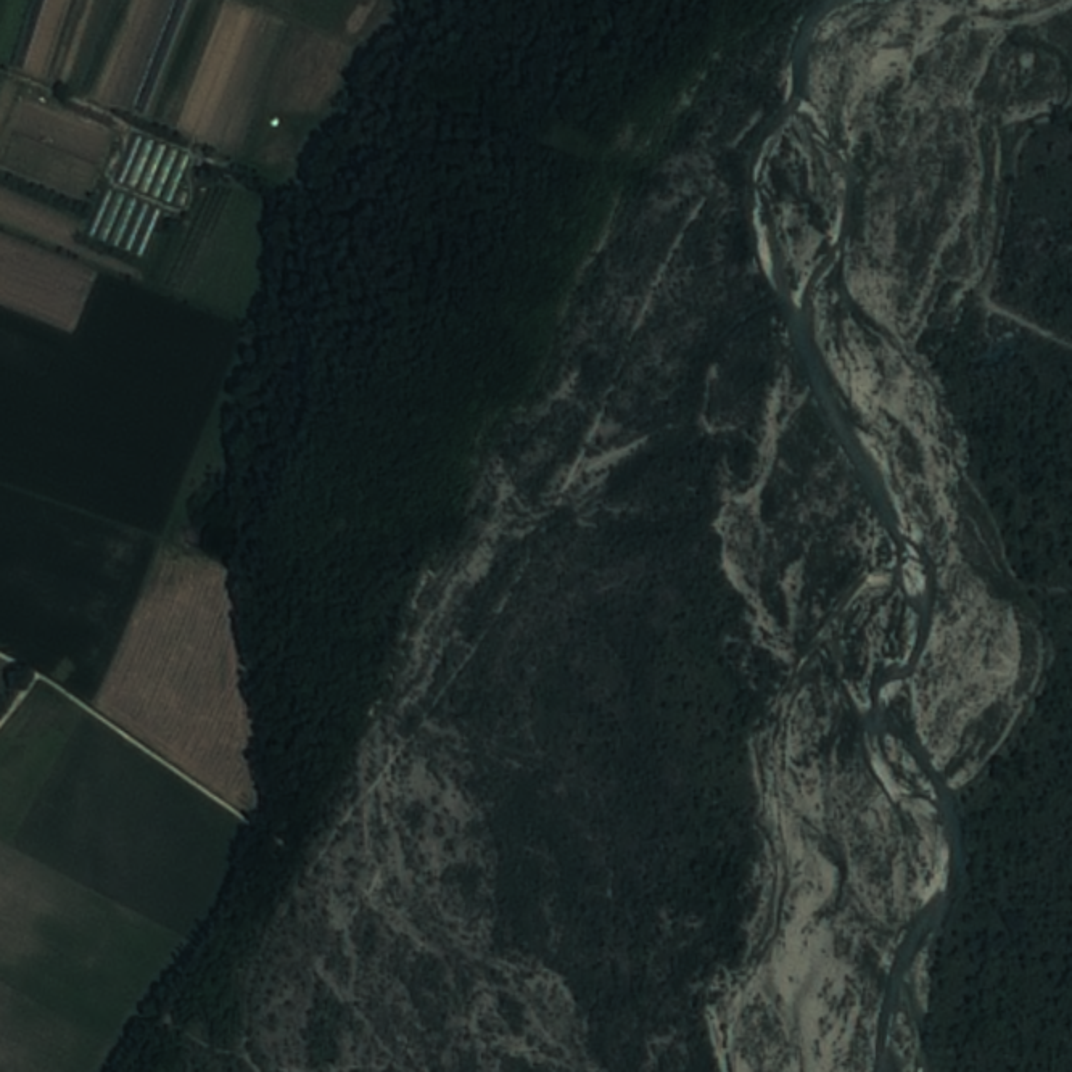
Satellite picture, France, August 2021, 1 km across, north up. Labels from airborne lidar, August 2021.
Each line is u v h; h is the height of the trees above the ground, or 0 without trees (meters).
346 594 15
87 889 0
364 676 14
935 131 0
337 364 19
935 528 0
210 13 0
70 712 0
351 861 9
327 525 14
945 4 0
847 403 0
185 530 0
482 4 22
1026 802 10
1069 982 11
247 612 18
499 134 22
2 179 10
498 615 9
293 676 19
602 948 7
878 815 0
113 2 0
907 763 0
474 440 11
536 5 22
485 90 13
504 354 13
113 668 0
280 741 24
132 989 0
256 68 0
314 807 10
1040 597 10
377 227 24
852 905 0
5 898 0
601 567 7
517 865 6
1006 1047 6
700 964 8
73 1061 0
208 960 15
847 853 0
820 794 0
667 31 18
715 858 9
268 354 26
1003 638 0
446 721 6
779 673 12
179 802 0
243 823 0
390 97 27
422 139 25
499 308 16
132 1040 13
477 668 7
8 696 6
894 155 0
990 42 0
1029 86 0
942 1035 8
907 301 0
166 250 0
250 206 0
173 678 0
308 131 0
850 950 0
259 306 13
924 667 0
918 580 0
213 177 20
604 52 25
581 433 8
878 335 0
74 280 0
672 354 6
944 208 0
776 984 0
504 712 8
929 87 0
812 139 0
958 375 9
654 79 15
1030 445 10
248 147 0
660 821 6
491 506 11
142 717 0
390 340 16
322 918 5
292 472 12
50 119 0
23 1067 0
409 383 13
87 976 0
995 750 0
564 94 18
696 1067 5
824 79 0
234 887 18
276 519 14
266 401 26
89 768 0
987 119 0
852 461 0
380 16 0
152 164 0
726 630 12
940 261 0
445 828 8
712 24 18
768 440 0
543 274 15
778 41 7
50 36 0
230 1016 14
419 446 10
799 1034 0
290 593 21
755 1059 0
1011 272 7
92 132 0
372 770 6
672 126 8
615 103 13
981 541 0
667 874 6
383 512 16
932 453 0
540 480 8
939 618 0
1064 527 8
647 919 9
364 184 26
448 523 12
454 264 23
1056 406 9
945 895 0
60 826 0
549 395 8
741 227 7
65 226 0
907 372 0
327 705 13
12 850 0
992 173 0
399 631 16
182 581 0
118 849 0
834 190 0
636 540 6
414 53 26
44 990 0
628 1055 7
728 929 9
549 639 7
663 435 6
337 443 16
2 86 0
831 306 0
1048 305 9
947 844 0
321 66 0
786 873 0
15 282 0
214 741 0
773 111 7
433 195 15
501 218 18
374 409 14
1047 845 7
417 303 20
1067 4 0
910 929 0
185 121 0
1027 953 10
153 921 0
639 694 9
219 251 0
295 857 12
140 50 0
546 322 20
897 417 0
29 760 0
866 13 0
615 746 11
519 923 7
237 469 22
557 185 17
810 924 0
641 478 6
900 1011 0
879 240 0
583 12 24
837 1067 0
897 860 0
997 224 0
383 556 16
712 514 6
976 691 0
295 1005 12
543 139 7
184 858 0
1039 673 0
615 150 7
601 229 16
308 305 14
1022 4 0
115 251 11
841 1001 0
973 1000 15
